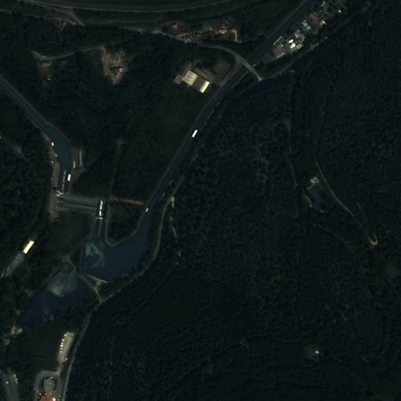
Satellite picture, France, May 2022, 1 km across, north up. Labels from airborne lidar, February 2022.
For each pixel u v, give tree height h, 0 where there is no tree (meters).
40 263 38
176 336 18
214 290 15
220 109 17
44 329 22
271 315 12
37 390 0
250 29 12
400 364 18
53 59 0
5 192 37
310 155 18
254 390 22
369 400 7
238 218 27
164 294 12
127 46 11
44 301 0
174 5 0
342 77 21
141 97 21
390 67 21
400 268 27
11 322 33
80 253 0
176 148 12
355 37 15
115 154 23
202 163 14
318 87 18
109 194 0
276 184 26
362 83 21
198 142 10
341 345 24
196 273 9
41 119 0
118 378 11
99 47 0
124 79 9
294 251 30
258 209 26
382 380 25
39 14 0
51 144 0
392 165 27
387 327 27
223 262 29
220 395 24
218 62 0
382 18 16
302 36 0
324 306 14
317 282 16
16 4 15
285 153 21
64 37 25
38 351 0
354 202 24
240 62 0
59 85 7
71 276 0
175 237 27
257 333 16
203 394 24
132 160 25
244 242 29
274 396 21
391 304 24
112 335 11
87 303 24
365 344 24
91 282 0
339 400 23
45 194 18
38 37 22
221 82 0
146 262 23
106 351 11
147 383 8
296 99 24
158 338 11
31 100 22
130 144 26
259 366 26
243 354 20
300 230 24
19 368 16
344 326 23
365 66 18
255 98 23
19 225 27
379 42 16
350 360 24
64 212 0
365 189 24
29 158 17
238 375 27
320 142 26
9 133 6
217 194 10
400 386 0
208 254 21
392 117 29
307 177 29
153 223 14
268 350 25
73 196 0
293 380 14
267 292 35
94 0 0
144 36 20
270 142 22
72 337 0
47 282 0
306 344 19
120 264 0
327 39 0
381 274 0
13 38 26
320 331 16
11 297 35
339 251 24
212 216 18
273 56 11
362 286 30
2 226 17
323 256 17
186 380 21
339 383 22
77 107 27
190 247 25
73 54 0
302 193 27
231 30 0
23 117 19
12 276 0
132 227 24
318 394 23
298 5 0
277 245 25
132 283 0
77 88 0
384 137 29
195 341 20
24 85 26
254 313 11
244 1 20
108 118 26
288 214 25
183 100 0
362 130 21
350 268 25
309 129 21
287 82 24
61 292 0
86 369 6
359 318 26
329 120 23
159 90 25
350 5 18
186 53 0
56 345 0
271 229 29
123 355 7
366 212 24
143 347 13
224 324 13
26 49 24
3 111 10
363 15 20
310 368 18
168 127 0
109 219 0
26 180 37
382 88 22
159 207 20
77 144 18
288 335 24
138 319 13
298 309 17
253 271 22
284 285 25
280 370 27
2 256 35
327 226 18
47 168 20
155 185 21
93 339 10
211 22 0
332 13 15
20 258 0
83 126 30
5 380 0
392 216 26
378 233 23
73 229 0
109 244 0
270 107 26
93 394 9
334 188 18
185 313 15
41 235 26
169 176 0
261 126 26
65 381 0
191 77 0
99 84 21
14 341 22
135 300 17
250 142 28
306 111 21
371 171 28
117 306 12
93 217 0
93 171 26
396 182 23
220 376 22
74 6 0
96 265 0
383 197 25
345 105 26
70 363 0
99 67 0
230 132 34
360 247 14
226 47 13
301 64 23
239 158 30
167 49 18
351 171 15
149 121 29
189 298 10
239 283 25
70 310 22
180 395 23
